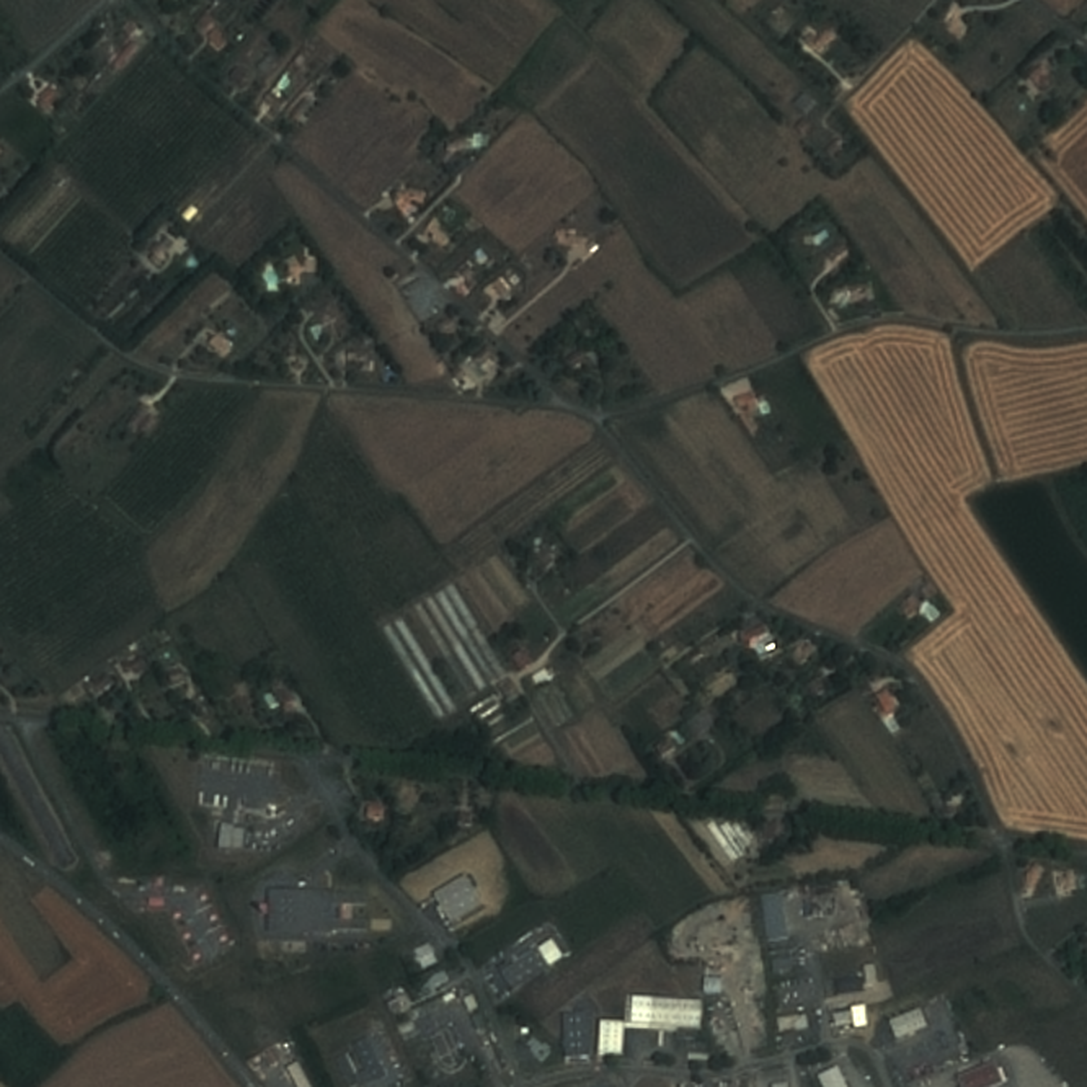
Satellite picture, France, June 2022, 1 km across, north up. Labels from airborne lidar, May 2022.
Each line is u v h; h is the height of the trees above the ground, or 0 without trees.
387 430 0
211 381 0
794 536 0
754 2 0
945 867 0
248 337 0
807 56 7
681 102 0
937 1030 0
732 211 0
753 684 8
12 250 10
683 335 0
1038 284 0
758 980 0
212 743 25
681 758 7
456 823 7
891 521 0
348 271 0
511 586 0
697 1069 9
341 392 0
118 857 0
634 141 0
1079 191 0
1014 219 0
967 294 0
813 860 0
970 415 0
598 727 0
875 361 0
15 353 0
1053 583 0
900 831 24
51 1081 0
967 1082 0
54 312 0
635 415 0
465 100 0
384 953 0
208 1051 0
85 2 0
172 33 7
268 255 9
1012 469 0
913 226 0
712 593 0
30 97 9
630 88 0
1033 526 0
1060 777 0
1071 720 0
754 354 0
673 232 0
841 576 0
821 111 0
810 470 0
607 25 0
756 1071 0
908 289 0
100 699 8
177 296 16
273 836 0
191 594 0
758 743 8
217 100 9
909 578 0
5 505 0
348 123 0
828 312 0
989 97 14
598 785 6
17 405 0
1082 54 11
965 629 0
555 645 0
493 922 0
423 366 0
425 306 0
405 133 0
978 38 0
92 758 6
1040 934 0
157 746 19
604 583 0
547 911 0
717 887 0
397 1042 0
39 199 0
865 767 0
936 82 0
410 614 0
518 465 0
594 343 11
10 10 0
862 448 0
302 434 0
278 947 0
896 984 0
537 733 0
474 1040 0
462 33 0
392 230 13
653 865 0
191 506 0
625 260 0
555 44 0
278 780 0
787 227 7
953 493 0
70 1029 0
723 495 0
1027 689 0
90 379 0
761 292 0
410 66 0
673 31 0
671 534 0
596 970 0
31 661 0
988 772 0
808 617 0
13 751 0
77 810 0
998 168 0
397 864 16
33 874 0
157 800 8
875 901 9
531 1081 0
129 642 0
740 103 0
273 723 11
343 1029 0
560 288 0
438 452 0
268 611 0
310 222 0
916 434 0
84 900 0
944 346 0
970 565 0
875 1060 0
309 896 0
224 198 0
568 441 0
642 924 0
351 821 10
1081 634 0
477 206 0
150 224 15
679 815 21
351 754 20
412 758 23
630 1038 0
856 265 9
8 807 8
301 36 0
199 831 0
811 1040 0
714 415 0
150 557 0
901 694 11
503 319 0
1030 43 0
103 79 0
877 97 0
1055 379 0
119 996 0
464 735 11
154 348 0
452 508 0
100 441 0
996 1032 0
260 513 0
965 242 0
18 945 0
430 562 0
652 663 0
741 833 0
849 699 0
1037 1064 0
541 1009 0
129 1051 0
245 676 10
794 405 0
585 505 0
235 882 0
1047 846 22
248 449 0
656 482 0
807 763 0
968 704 0
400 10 0
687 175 0
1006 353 0
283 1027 0
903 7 0
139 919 0
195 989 0
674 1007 0
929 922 0
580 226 0
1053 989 0
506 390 9
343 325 0
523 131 0
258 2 0
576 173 0
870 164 0
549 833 0
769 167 0
